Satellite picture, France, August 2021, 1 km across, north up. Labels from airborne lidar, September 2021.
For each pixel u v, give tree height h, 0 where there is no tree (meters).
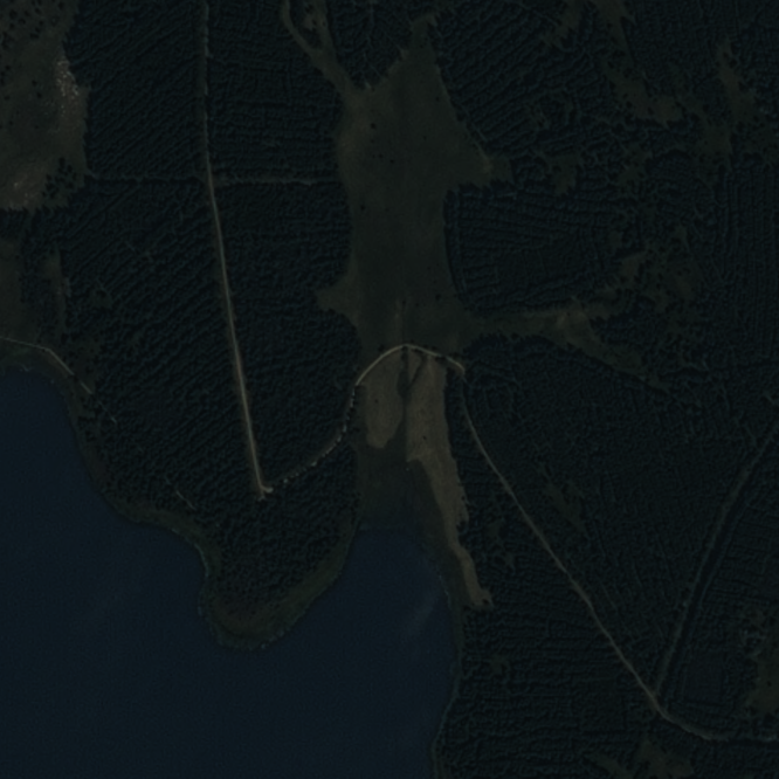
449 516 0
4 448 0
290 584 7
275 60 17
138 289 19
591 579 17
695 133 20
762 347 18
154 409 7
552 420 18
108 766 0
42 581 0
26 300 6
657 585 20
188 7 21
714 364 21
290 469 10
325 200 11
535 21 19
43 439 0
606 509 16
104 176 18
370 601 0
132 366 15
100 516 0
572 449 17
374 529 0
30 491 0
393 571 0
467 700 11
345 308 0
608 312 0
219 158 13
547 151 17
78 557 0
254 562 7
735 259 18
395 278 0
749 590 18
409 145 0
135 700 0
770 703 0
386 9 16
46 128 0
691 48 21
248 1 7
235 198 11
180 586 0
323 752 0
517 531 20
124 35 22
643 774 7
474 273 17
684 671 12
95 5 22
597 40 15
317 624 0
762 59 21
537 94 22
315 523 7
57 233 18
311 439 15
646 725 6
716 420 17
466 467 18
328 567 0
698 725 17
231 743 0
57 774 0
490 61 23
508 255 12
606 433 19
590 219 19
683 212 21
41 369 0
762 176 19
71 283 14
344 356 14
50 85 0
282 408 9
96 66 16
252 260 17
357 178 0
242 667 0
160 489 8
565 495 12
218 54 20
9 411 0
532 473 19
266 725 0
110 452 9
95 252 17
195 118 19
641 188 9
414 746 0
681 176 20
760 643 16
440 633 0
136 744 0
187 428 8
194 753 0
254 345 8
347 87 0
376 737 0
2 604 0
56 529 0
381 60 17
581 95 12
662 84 16
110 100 20
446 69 20
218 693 0
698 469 12
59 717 0
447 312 0
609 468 21
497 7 20
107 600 0
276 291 15
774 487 7
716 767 17
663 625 18
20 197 0
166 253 14
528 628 20
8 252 0
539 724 20
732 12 18
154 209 11
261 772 0
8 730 0
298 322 17
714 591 21
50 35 0
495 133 19
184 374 16
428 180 0
